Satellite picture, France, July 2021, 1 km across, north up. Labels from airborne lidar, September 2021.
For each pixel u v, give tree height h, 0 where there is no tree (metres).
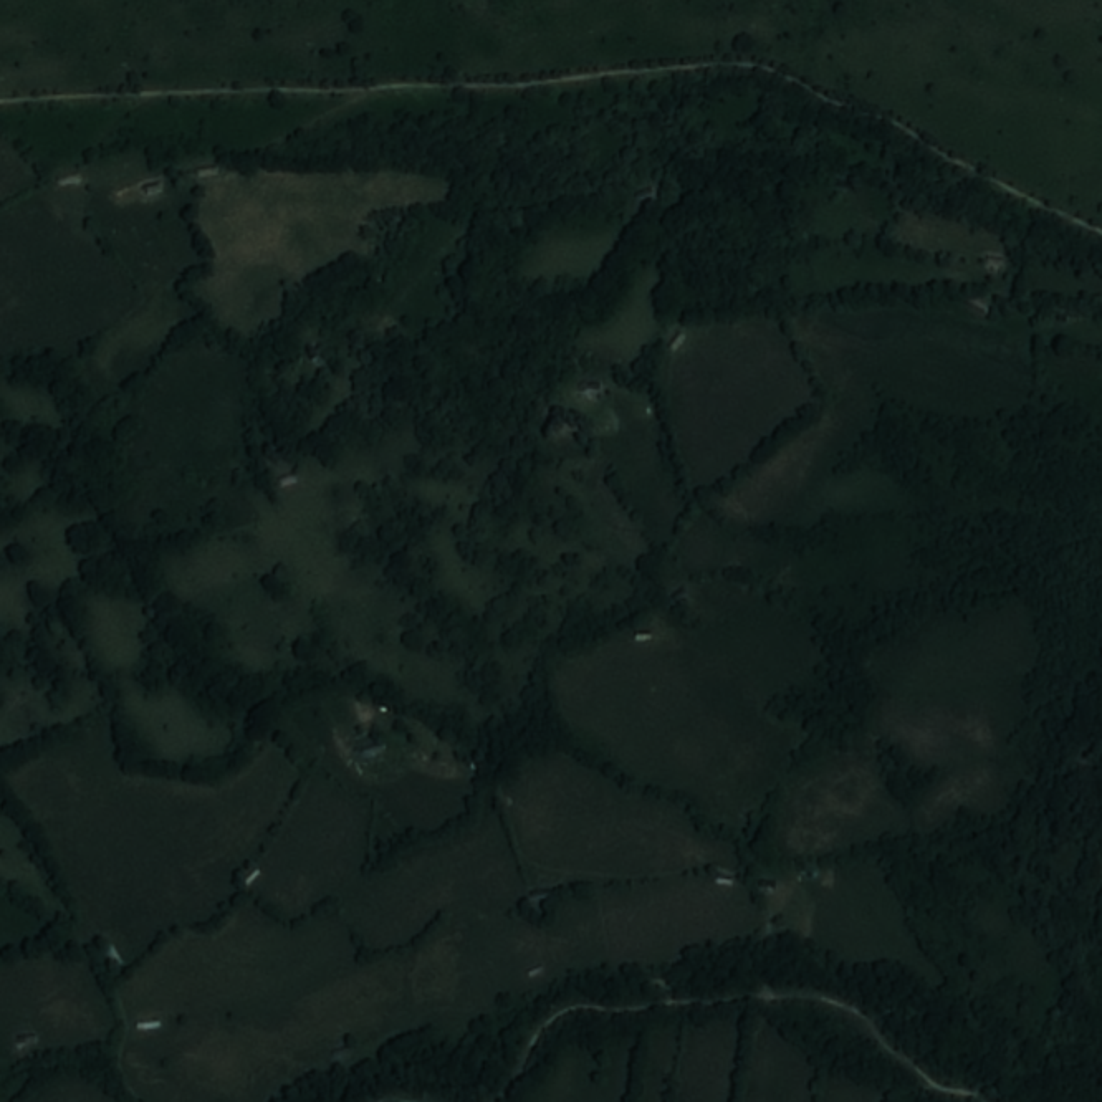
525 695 10
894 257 16
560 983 9
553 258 0
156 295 0
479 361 6
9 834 0
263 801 0
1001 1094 19
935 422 7
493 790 8
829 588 8
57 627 17
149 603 19
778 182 17
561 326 17
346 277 23
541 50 0
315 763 6
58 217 0
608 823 0
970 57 0
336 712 0
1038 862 9
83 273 0
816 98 9
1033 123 0
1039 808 11
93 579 20
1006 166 0
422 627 8
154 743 0
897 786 13
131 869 0
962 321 0
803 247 12
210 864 0
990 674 0
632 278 8
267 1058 0
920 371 0
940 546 8
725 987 15
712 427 0
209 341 9
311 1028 0
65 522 0
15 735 0
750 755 0
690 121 20
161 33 0
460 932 0
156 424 0
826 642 8
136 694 0
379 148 9
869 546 0
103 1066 17
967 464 8
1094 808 12
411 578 9
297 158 9
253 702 8
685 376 0
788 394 0
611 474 8
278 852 0
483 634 8
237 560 0
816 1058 13
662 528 0
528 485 19
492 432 14
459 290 22
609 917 0
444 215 16
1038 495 9
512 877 0
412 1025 0
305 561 0
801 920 0
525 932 0
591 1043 18
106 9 0
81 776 0
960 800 0
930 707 0
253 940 0
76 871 0
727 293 10
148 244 0
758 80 15
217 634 17
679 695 0
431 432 14
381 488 10
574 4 0
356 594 0
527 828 0
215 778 10
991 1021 16
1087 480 11
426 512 6
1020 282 15
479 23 0
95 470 9
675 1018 9
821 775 0
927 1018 7
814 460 0
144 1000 0
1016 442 10
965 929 7
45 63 0
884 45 0
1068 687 16
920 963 0
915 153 15
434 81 11
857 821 0
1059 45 0
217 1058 0
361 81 14
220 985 0
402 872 0
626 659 0
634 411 0
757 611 0
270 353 20
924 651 0
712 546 0
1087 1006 15
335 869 0
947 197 14
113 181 0
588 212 19
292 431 11
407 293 0
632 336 0
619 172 17
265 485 18
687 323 16
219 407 0
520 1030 14
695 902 0
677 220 17
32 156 16
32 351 7
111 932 0
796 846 0
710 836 10
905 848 12
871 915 0
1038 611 6
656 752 0
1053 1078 18
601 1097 0
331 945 0
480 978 0
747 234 11
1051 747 12
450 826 14
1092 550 6
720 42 7
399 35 0
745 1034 19
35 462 7
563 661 0
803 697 11
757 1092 0
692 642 0
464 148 16
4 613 0
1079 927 12
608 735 0
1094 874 15
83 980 0
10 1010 0
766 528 8
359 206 0
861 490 0
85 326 0
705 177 21
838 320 0
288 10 0
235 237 0
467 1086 13
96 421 18
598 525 0
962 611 10
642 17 0
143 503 0
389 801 0
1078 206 6
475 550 9
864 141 17
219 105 6
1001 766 0
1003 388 0
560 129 15
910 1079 18
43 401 0
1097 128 0
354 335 12
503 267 10
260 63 0
